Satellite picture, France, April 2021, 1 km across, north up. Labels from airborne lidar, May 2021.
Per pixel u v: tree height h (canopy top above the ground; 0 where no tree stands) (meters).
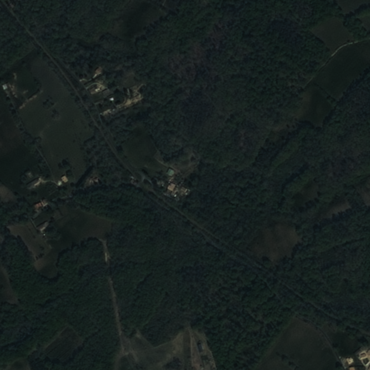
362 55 0
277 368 0
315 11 21
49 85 0
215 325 16
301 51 11
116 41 13
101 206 23
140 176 0
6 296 0
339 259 8
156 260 18
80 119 0
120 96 8
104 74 9
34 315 26
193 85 16
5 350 20
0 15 19
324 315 20
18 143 0
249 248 8
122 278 21
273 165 21
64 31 15
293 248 0
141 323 24
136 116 0
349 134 23
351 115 11
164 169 0
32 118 0
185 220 11
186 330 12
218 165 26
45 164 8
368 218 21
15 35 16
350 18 15
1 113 0
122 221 22
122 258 16
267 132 17
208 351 0
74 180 13
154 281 18
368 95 27
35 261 11
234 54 7
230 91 21
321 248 25
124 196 20
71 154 0
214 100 24
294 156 6
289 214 16
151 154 0
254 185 13
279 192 5
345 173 11
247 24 21
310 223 10
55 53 21
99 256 21
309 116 0
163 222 29
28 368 0
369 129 16
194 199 17
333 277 21
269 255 0
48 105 10
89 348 16
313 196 0
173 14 22
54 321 24
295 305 17
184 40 23
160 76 26
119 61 18
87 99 16
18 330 23
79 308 18
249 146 16
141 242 20
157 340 7
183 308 9
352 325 17
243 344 26
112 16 22
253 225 17
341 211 0
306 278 27
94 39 23
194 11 17
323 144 19
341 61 0
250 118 17
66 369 16
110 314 21
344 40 0
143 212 18
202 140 24
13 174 0
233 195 24
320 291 24
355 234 15
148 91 13
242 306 20
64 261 21
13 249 21
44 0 23
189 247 27
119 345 26
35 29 20
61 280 22
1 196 0
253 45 20
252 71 18
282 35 20
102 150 17
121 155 23
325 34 0
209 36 15
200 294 21
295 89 13
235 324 21
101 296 16
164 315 12
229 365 21
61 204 16
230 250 19
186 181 8
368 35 16
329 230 22
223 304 14
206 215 20
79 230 0
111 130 13
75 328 18
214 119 17
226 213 23
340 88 0
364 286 15
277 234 0
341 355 0
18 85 0
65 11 19
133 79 0
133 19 0
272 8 17
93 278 25
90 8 20
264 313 18
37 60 0
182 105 18
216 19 13
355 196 21
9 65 20
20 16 24
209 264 17
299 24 12
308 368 0
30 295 25
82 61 20
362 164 19
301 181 26
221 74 18
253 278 25
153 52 26
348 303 19
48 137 0
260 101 13
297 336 0
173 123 23
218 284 17
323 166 17
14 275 21
